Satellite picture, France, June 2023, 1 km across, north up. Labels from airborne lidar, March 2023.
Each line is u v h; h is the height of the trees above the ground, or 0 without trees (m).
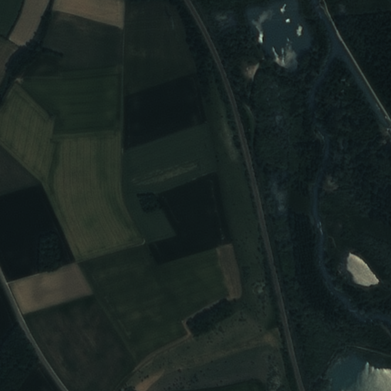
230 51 7
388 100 6
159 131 0
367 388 0
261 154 8
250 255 0
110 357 0
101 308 0
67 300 0
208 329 13
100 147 0
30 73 0
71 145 0
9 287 0
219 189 0
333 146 19
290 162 7
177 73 0
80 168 0
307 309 14
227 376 0
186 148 0
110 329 0
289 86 9
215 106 0
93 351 0
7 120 0
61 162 0
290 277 7
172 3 12
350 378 0
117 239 0
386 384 0
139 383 0
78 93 0
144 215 0
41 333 0
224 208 0
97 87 0
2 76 0
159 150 0
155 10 0
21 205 0
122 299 0
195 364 0
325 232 7
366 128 16
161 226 0
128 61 0
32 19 0
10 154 0
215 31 10
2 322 0
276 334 0
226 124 0
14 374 20
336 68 6
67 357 0
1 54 0
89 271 0
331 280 0
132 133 0
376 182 6
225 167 0
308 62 7
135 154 0
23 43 0
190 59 0
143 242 0
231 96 0
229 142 0
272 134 7
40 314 0
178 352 0
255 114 6
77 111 0
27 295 0
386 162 9
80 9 0
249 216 0
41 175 0
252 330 0
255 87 16
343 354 6
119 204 0
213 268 0
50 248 20
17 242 0
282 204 0
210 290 0
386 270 7
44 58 0
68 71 0
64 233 0
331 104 7
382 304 8
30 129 0
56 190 0
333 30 0
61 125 0
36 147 0
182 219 0
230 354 0
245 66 0
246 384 0
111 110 0
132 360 0
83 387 0
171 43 0
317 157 16
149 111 0
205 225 0
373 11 0
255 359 0
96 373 0
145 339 0
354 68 0
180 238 0
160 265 0
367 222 0
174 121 0
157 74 0
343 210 0
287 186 14
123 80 0
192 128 0
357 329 6
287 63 0
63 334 0
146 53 0
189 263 0
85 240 0
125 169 0
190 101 0
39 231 0
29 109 0
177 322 0
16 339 16
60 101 0
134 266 0
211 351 0
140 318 0
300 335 9
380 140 13
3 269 0
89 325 0
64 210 0
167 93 0
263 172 9
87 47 0
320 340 7
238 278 0
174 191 0
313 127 6
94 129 0
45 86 0
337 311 8
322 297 15
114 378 0
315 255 14
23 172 0
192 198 0
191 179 0
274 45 0
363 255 0
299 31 0
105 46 0
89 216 0
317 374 11
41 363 0
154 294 0
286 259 8
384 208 26
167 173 0
